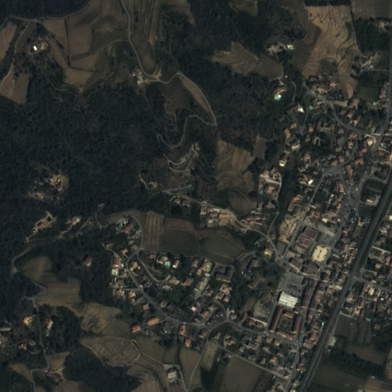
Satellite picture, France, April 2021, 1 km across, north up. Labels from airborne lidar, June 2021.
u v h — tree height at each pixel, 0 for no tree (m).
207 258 0
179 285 6
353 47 0
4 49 0
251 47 15
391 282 0
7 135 14
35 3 15
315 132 10
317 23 0
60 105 7
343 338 7
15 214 10
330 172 0
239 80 8
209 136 8
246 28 14
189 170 0
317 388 0
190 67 15
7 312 16
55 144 7
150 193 12
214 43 7
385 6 0
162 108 7
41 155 20
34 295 6
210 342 0
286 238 0
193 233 0
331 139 9
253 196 14
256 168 9
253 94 8
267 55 8
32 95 18
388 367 0
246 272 13
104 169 9
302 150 13
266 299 0
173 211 17
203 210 0
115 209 22
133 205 19
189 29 8
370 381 0
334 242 0
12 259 16
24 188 8
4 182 10
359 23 9
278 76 0
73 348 12
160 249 0
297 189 7
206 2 19
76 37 0
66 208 13
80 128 6
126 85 11
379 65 0
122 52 0
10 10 12
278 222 13
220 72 17
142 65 0
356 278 0
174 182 0
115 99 7
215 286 6
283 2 0
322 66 0
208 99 7
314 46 0
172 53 10
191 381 0
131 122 6
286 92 0
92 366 11
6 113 9
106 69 0
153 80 0
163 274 0
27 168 8
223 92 19
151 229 0
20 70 11
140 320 11
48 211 7
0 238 14
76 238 23
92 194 13
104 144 11
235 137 9
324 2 12
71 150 8
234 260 0
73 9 9
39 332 9
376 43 15
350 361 11
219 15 10
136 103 13
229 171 0
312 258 0
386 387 0
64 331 8
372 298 0
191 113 11
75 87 0
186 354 0
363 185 0
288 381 0
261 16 13
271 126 9
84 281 11
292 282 0
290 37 9
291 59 15
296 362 0
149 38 0
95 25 0
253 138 8
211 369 0
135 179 10
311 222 0
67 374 12
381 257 0
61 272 9
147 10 0
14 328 9
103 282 10
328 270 8
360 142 12
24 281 13
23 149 10
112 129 10
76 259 6
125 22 0
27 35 0
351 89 0
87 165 7
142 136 6
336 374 0
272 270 26
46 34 17
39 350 8
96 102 7
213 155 7
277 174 6
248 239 0
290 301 0
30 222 8
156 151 11
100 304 11
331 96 7
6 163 10
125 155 16
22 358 17
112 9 0
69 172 12
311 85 11
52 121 16
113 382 16
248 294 25
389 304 7
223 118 8
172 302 6
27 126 7
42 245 22
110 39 0
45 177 8
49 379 9
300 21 0
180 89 0
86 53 0
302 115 14
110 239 13
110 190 11
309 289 0
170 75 0
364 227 9
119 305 16
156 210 11
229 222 0
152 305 7
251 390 0
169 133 6
